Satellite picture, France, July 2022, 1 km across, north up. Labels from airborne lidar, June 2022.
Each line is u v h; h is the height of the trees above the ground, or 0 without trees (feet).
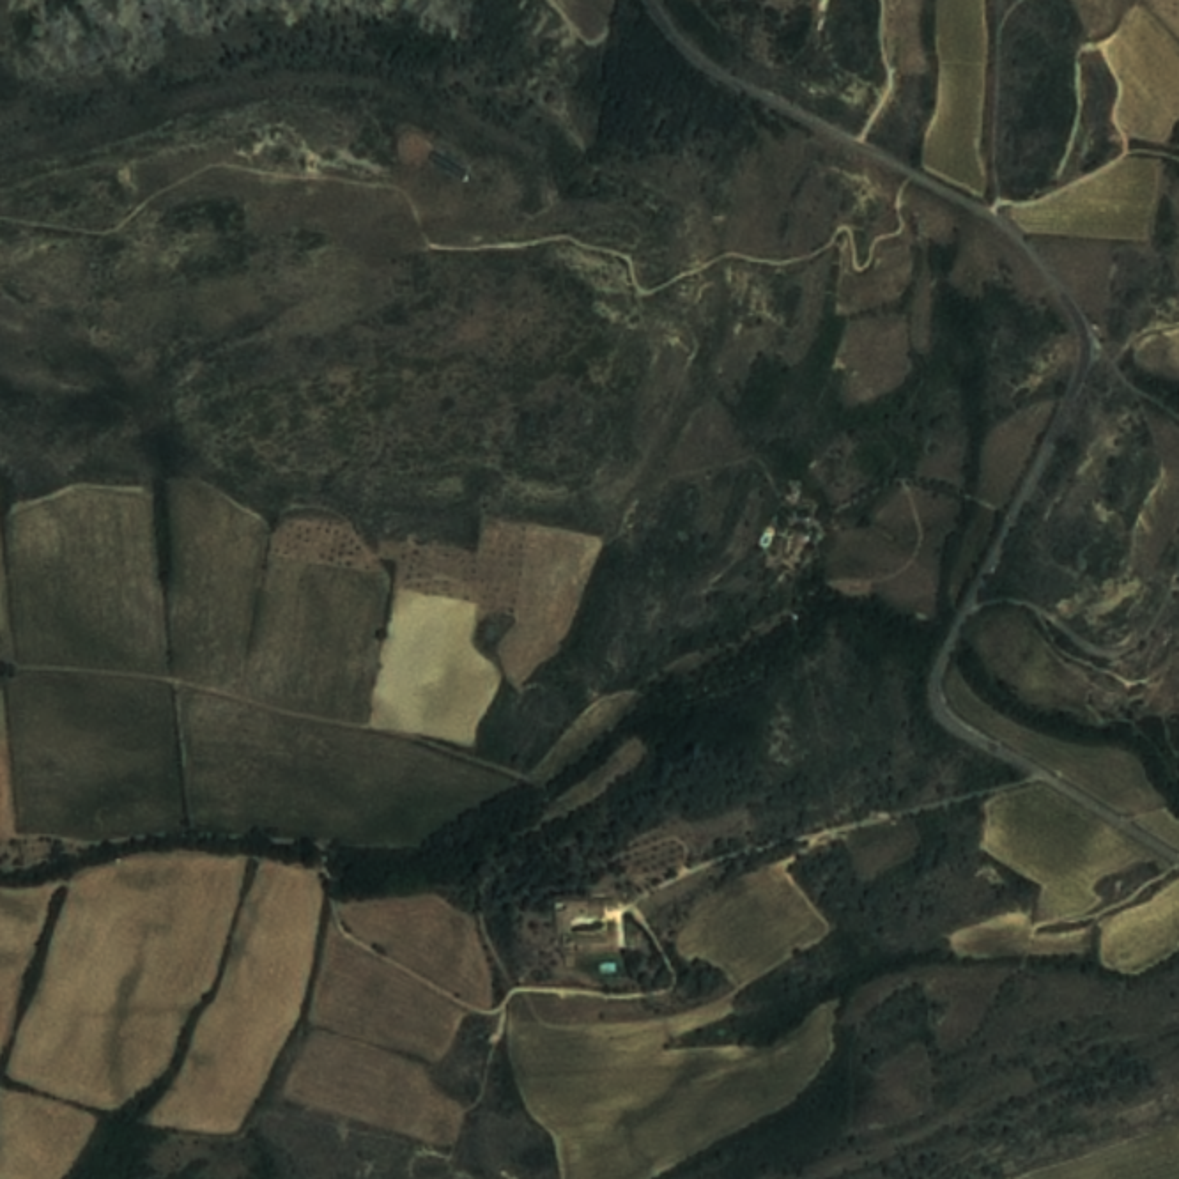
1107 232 0
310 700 0
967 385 27
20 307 0
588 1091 0
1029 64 0
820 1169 0
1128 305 0
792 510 24
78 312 0
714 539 26
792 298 0
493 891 21
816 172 0
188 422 0
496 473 0
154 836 24
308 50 30
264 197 0
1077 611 0
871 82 0
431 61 31
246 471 0
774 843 28
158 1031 0
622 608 0
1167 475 0
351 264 0
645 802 33
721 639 36
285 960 0
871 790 28
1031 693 0
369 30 32
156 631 0
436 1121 0
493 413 0
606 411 0
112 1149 34
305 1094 0
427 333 0
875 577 0
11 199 0
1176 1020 0
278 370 0
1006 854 0
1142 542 0
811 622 31
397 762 0
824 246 0
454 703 0
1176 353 0
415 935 0
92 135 0
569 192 23
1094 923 0
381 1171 0
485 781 0
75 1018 0
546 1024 0
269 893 0
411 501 0
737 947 0
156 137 0
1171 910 0
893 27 0
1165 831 0
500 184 0
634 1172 0
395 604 0
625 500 0
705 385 0
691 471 0
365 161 0
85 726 0
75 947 0
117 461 0
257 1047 0
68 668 0
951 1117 0
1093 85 0
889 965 26
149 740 0
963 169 0
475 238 0
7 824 0
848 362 0
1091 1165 0
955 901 0
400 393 0
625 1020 0
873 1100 0
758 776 23
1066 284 0
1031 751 0
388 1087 0
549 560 0
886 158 0
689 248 0
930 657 19
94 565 0
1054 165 0
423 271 0
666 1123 0
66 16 0
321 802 0
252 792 0
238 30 0
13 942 0
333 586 0
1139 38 0
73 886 0
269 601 0
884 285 0
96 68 0
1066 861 0
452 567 0
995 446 0
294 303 0
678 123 30
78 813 0
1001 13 0
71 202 0
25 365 0
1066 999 0
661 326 0
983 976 0
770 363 0
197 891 0
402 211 0
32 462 0
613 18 27
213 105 0
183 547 0
